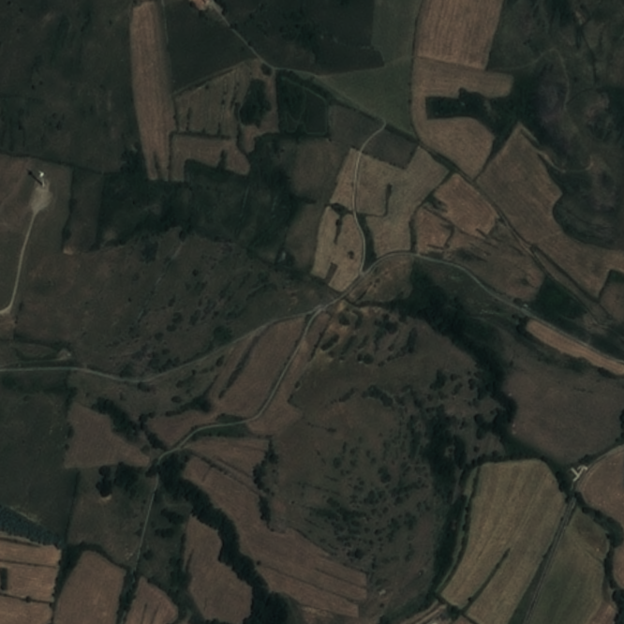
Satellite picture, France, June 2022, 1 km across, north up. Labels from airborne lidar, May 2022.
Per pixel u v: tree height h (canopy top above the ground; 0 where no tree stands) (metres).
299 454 0
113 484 9
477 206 0
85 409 0
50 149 0
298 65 0
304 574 0
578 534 0
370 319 0
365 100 0
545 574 0
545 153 0
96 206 0
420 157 0
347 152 0
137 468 6
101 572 0
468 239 0
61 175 0
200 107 0
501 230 0
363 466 0
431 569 0
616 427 0
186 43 0
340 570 0
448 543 7
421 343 0
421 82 0
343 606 0
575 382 0
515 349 0
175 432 0
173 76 0
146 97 0
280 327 0
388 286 0
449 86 0
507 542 0
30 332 0
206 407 6
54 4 0
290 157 0
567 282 0
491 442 0
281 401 0
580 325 0
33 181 0
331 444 0
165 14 0
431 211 0
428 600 11
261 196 0
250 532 0
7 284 0
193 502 10
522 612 0
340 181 0
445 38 0
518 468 0
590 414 0
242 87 0
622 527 0
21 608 0
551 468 0
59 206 0
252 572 14
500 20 0
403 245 0
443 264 0
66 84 0
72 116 0
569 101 0
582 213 0
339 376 0
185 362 6
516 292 0
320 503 0
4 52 0
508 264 0
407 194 0
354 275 0
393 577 0
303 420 0
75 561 13
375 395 6
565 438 0
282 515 0
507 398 12
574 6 0
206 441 0
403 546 0
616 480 0
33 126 0
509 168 0
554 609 0
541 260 0
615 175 0
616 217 0
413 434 6
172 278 0
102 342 0
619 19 0
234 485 0
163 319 0
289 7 0
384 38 0
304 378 0
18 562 0
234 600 0
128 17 0
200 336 0
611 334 0
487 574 0
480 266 0
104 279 0
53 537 9
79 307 0
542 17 0
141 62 0
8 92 0
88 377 0
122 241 7
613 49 0
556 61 0
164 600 0
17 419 0
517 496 0
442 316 12
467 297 0
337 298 0
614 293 0
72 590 0
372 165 0
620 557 0
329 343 7
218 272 0
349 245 0
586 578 0
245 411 0
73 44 0
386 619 11
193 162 6
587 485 0
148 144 0
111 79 0
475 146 0
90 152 0
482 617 0
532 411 0
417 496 0
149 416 7
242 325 0
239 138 7
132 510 0
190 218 6
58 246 0
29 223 0
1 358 0
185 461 7
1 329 0
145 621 0
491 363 17
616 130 0
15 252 0
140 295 0
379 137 0
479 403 7
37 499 0
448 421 10
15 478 0
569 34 0
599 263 0
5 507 11
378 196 0
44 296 0
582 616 0
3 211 0
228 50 0
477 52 0
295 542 0
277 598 16
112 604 0
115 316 0
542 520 0
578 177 0
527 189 0
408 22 0
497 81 0
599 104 0
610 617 0
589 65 0
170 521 7
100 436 0
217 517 16
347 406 0
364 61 0
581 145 0
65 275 0
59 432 0
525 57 0
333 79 0
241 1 0
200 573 0
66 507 0
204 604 0
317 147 0
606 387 0
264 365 0
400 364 0
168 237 0
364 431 0
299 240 0
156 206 0
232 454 0
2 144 0
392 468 0
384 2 0
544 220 0
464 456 13
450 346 0
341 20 0
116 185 0
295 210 7
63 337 0
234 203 0
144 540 0
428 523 0
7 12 0
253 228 0
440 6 0
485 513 0
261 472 16
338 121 0
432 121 0
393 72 0
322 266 0
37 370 0
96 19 0
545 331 0
